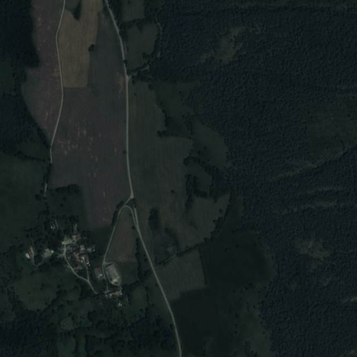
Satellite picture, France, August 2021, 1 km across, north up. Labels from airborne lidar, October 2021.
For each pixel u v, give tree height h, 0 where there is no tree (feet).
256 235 23
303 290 30
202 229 0
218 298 0
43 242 43
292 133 37
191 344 0
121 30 20
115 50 0
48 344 39
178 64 33
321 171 18
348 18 38
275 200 26
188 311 0
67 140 0
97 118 0
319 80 51
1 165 0
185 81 35
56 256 41
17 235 0
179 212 0
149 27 0
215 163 0
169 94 0
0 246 0
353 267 36
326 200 22
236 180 28
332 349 38
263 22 32
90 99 0
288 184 26
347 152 24
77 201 0
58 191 51
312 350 37
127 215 0
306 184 48
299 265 38
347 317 22
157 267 0
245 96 34
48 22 0
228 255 0
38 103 0
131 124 0
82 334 0
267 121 38
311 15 37
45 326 85
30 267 0
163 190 0
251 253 0
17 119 26
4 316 43
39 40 0
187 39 31
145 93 0
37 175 0
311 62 43
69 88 0
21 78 31
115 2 33
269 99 32
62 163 0
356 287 29
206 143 0
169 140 0
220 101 34
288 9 52
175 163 0
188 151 0
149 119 0
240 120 29
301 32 47
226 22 19
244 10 31
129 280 0
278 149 44
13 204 0
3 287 22
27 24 72
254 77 37
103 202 0
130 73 23
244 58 38
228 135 32
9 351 44
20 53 89
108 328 35
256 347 0
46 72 0
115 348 66
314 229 33
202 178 0
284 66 32
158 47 38
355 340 36
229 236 0
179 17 40
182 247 0
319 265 27
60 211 0
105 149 0
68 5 0
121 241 0
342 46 47
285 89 45
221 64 31
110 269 0
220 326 0
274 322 25
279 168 24
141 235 0
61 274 0
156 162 0
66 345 0
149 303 34
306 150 40
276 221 34
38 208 0
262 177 32
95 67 0
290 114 48
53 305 48
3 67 0
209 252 0
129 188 0
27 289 0
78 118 0
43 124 0
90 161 0
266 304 35
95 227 0
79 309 0
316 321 37
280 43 30
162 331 39
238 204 0
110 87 0
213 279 0
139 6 0
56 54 0
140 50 0
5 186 0
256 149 23
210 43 21
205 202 0
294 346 41
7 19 65
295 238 25
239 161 27
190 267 0
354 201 33
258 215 27
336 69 39
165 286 0
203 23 40
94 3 0
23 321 33
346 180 41
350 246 42
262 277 0
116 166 0
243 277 0
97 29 0
